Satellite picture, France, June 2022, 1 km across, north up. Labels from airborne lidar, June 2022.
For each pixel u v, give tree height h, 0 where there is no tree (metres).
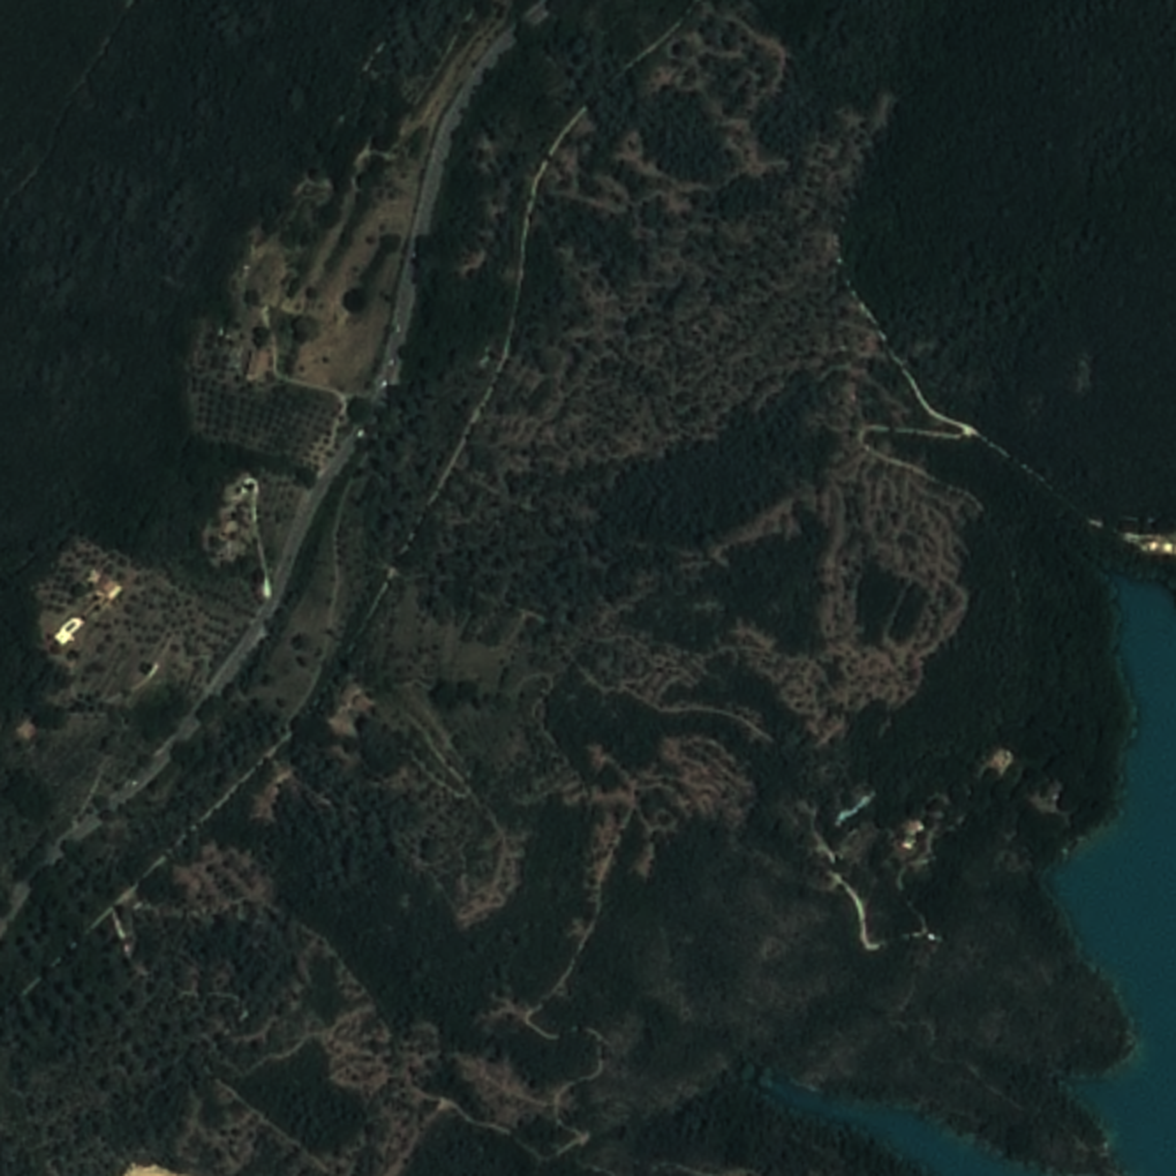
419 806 14
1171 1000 0
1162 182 11
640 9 6
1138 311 9
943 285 7
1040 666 14
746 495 10
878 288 12
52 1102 8
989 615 9
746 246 8
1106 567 10
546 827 7
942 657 9
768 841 6
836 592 13
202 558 9
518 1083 0
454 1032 12
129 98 7
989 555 11
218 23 8
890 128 12
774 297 7
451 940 7
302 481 12
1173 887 0
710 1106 15
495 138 23
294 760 9
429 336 7
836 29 18
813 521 8
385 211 0
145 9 8
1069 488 9
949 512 6
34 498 7
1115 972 0
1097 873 0
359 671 5
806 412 22
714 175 20
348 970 6
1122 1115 0
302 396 7
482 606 9
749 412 9
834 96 12
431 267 24
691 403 14
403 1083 12
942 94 13
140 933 9
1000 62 13
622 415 9
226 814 13
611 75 24
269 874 22
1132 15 12
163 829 8
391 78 6
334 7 8
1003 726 10
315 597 0
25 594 18
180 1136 7
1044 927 8
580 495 17
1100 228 13
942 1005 6
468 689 13
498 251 15
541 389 8
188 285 11
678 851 7
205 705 9
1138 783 0
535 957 8
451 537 21
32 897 11
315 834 10
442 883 6
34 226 17
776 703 8
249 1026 17
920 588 9
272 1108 11
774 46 0
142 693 0
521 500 16
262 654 12
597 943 8
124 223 19
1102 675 17
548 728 10
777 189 18
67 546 20
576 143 14
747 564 9
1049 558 12
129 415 11
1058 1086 11
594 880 8
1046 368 10
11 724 13
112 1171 9
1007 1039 6
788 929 0
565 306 23
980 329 19
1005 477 15
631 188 11
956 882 13
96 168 19
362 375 0
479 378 7
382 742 15
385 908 8
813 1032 8
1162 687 0
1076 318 12
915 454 8
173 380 15
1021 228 12
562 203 19
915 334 10
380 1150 14
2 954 19
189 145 20
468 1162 15
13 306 16
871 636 7
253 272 0
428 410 22
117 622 6
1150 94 11
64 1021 26
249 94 10
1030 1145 9
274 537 0
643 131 23
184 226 20
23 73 8
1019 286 14
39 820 11
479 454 22
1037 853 11
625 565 11
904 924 9
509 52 8
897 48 6
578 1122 9
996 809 11
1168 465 10
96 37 10
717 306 17
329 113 7
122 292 10
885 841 7
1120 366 10
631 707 6
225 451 15
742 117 15
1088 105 10
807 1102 0
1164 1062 0
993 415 10
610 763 7
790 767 12
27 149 14
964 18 17
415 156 6
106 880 11
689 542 7
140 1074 15
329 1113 15
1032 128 13
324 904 8
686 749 8
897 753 12
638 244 8
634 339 23
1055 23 20
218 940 18
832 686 6
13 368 11
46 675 13
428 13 22
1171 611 0
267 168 7
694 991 7
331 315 0
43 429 11
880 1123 0
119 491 15
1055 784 8
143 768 9
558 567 21
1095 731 12
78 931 8
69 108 7
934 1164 0
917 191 15
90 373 13
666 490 12
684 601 5
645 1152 8
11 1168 19
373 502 19
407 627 0
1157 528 15
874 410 14
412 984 10
